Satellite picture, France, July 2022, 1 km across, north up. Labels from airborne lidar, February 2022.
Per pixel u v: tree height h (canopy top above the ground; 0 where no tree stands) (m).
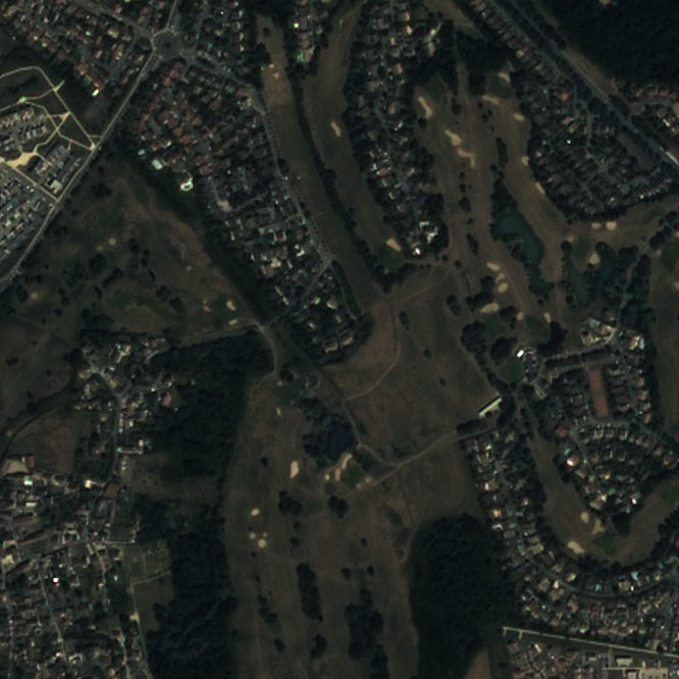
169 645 14
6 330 0
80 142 0
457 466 0
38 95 0
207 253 0
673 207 0
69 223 0
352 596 0
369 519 0
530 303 0
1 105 0
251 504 0
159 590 0
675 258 0
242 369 8
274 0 8
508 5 12
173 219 0
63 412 0
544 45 15
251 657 0
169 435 14
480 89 17
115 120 0
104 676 7
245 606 0
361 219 0
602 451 8
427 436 0
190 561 16
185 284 0
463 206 13
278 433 0
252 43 6
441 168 0
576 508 0
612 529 0
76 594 11
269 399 0
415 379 0
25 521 0
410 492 0
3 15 0
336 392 0
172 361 8
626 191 0
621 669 0
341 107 0
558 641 0
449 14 0
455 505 0
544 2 7
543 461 0
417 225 8
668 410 0
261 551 0
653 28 18
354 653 12
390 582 0
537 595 7
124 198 0
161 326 0
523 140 0
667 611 0
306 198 0
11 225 0
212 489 0
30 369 0
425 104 0
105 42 10
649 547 0
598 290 9
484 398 0
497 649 0
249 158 11
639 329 12
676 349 0
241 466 0
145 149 6
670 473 11
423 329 0
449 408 0
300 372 0
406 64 11
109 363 0
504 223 0
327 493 0
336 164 0
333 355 9
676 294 0
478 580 7
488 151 0
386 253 0
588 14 14
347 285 9
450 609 9
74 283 10
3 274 0
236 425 8
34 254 7
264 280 10
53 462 0
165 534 16
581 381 7
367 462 10
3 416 0
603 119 6
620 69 14
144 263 10
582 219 11
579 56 0
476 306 13
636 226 0
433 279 0
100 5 0
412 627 0
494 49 20
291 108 0
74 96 0
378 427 0
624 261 10
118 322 0
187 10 12
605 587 0
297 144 0
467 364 0
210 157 0
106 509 0
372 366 0
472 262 0
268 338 0
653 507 0
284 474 0
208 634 18
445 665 0
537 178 13
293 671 0
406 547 0
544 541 7
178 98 0
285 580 0
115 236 0
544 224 0
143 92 9
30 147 0
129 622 12
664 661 0
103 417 0
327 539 0
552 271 0
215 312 0
